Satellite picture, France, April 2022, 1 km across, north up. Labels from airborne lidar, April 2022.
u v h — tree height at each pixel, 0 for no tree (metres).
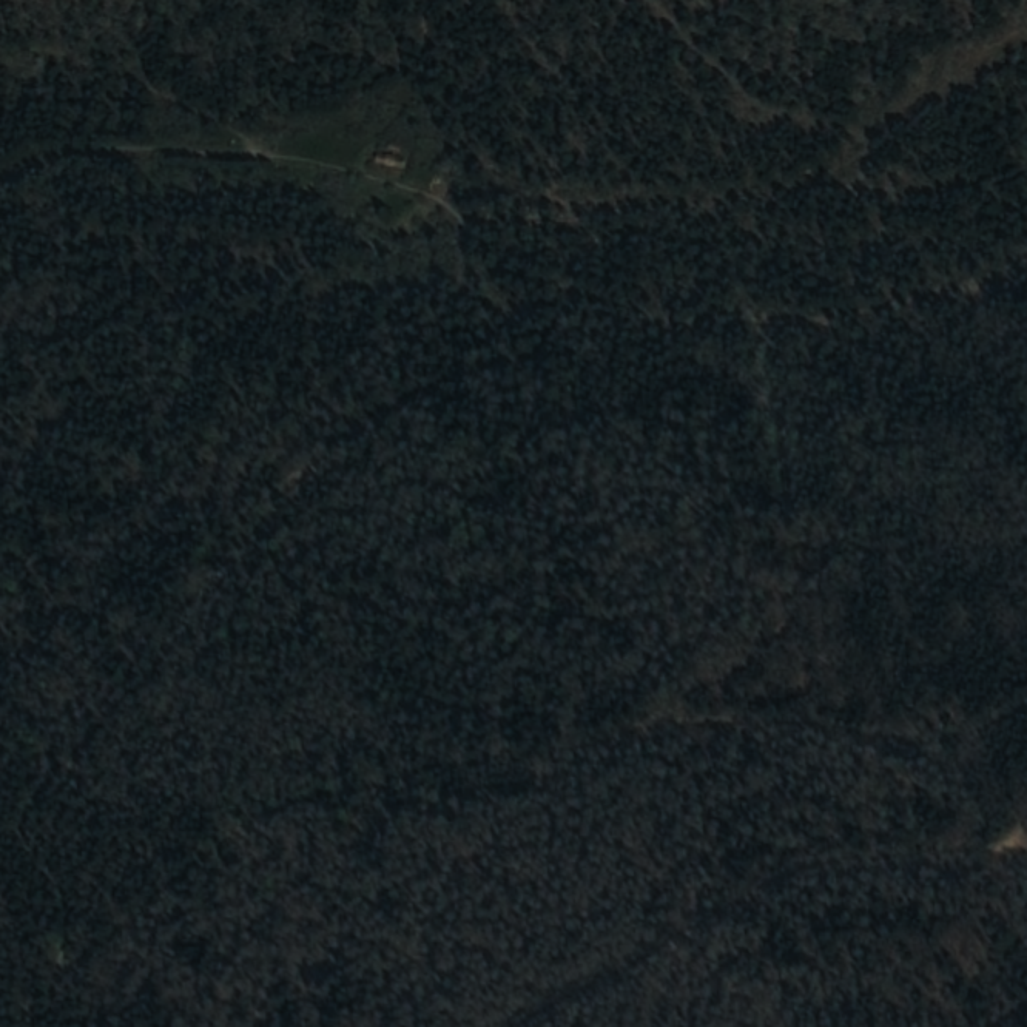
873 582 25
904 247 29
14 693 25
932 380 15
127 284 17
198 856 21
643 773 34
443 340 10
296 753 27
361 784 30
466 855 32
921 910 7
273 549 28
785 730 16
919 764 20
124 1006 16
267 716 29
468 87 31
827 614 15
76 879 23
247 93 34
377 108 8
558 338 28
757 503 15
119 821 24
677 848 26
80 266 38
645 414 23
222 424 19
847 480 29
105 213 33
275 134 16
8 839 20
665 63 29
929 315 31
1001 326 27
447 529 11
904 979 25
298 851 25
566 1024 26
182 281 10
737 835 10
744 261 17
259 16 25
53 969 18
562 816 32
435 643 20
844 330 14
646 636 29
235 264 22
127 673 29
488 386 25
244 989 34
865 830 29
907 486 27
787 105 22
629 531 30
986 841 16
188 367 29
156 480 10
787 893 21
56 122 32
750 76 32
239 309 31
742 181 28
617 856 32
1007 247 32
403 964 32
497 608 35
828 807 12
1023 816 20
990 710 21
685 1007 28
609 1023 30
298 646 29
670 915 9
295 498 12
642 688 17
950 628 19
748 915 15
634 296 28
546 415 26
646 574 29
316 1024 26
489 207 27
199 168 6
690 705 20
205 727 25
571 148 29
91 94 25
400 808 13
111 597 30
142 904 23
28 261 32
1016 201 32
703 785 13
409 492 28
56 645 26
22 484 26
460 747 23
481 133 33
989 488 27
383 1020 25
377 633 23
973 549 23
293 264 8
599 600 16
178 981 35
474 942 31
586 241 18
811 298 29
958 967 12
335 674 27
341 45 26
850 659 15
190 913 34
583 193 7
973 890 27
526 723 26
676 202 7
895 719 17
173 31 34
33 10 27
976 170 30
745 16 12
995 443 26
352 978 29
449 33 25
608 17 29
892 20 24
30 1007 22
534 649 27
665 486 34
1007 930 23
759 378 33
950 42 26
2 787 20
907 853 20
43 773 25
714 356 25
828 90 23
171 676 25
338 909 20
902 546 24
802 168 31
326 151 0
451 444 26
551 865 32
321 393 7
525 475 15
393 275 6
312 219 23
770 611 20
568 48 22
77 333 18
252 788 28
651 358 21
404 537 30
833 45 9
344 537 17
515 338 34
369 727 27
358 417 7
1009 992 19
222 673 25
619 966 21
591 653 29
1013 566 21
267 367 31
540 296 30
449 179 6
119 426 25
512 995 30
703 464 15
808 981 25
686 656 17
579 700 19
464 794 16
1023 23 8
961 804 13
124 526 20
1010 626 21
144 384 28
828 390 24
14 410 29
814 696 13
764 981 14
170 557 26
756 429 20
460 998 28
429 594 24
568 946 27
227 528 22
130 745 22
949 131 29
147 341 33
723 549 31
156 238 24
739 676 12
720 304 29
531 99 32
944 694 24
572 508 35
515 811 33
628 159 31
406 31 24
